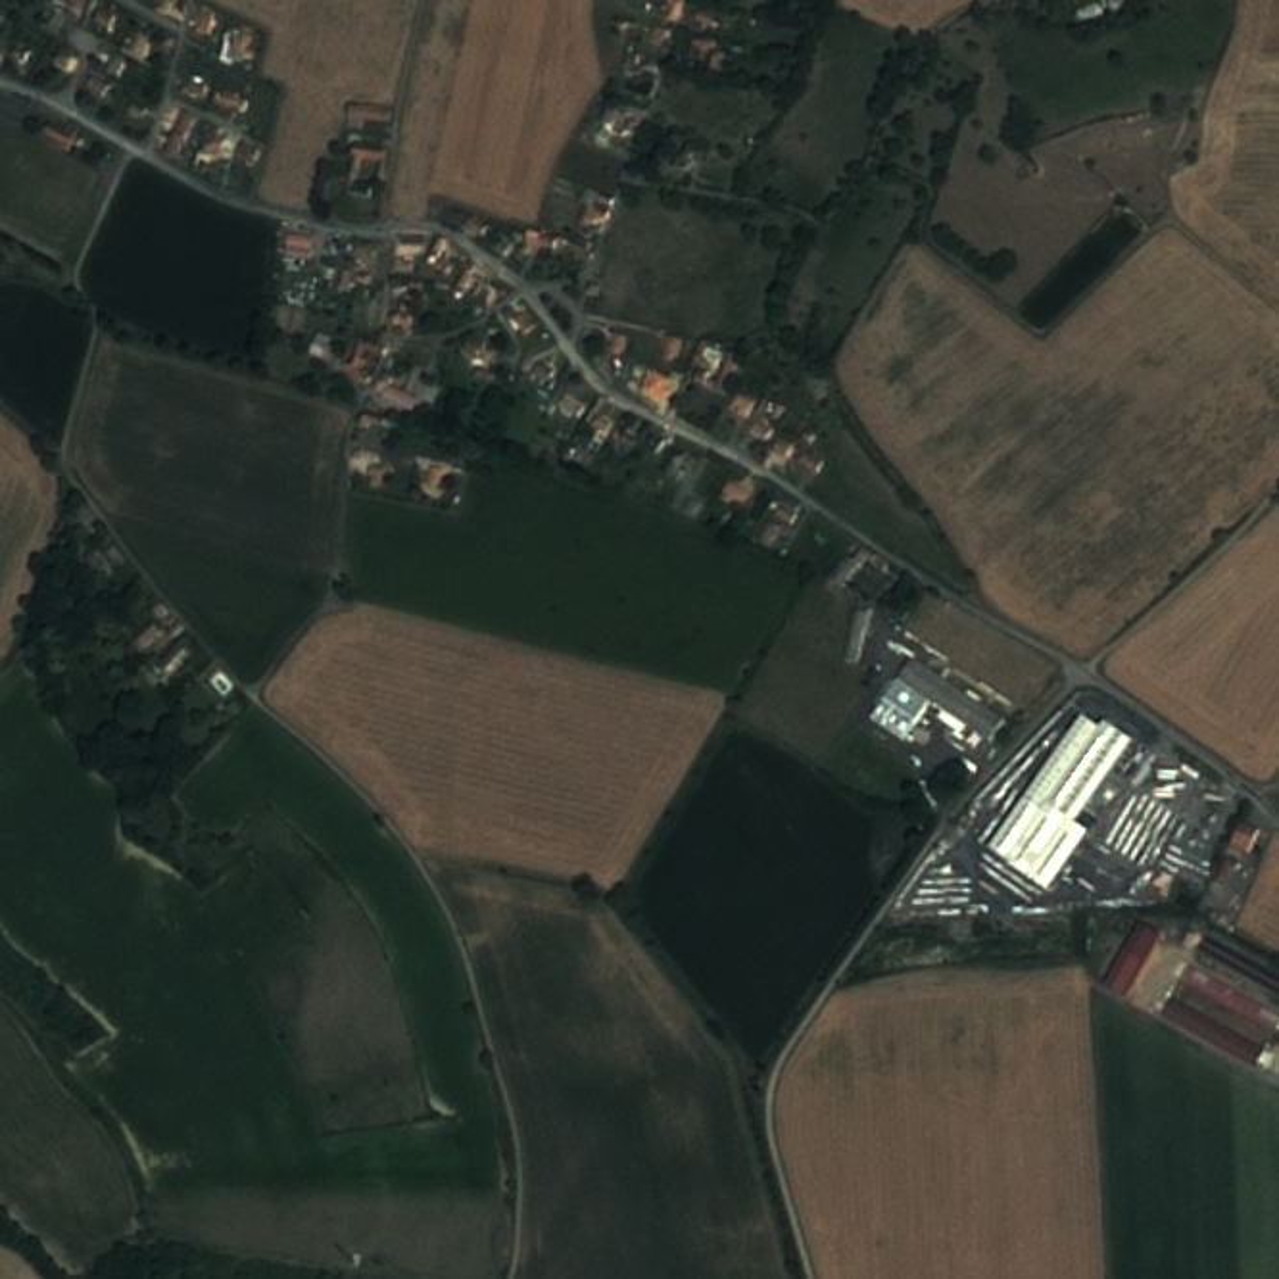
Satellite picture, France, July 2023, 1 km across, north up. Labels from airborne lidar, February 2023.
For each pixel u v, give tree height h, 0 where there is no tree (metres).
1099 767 0
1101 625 0
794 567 6
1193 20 0
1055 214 0
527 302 0
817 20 19
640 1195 0
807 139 8
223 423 0
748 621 0
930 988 0
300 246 0
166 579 0
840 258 0
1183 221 0
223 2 0
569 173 0
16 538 0
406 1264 0
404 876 0
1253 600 0
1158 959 0
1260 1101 0
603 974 0
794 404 0
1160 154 0
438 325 11
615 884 0
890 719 0
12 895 0
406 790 0
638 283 0
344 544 0
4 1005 0
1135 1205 0
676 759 0
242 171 0
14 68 14
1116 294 0
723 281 0
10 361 0
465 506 0
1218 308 0
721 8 13
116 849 0
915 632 0
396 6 0
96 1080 0
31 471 0
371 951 0
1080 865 0
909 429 0
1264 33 0
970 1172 0
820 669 0
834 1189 0
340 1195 0
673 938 0
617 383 0
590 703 0
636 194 12
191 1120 0
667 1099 0
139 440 0
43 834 0
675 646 0
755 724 0
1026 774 0
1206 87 0
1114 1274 0
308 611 0
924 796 13
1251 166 0
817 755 0
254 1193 0
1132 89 0
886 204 0
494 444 11
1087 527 0
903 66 20
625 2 0
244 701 13
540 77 0
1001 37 0
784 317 18
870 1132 0
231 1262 0
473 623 0
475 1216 0
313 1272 7
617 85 8
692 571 0
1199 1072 0
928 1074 0
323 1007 0
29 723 0
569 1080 0
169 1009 0
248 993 0
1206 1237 0
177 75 0
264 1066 0
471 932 0
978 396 0
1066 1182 0
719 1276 0
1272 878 0
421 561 0
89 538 9
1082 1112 0
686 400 13
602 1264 0
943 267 0
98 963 0
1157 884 0
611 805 0
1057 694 0
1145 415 0
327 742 0
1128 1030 0
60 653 22
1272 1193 0
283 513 0
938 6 0
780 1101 0
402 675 0
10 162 0
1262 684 0
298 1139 0
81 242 0
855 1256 0
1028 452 0
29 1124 0
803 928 0
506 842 0
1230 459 0
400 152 0
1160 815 0
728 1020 0
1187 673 0
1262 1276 0
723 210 13
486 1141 0
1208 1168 0
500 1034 0
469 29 0
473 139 0
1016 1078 0
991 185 0
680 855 0
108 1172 0
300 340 14
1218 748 0
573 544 0
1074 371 0
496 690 0
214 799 0
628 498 0
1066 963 0
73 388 0
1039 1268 0
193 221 0
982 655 0
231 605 0
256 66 0
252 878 0
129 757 22
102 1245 0
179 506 0
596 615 0
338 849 0
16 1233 11
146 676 0
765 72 0
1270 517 0
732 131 0
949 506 0
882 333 0
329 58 0
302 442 0
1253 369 0
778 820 0
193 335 0
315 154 0
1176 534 0
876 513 0
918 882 0
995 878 0
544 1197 0
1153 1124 0
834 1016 0
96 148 9
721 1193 0
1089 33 10
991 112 0
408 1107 0
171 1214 0
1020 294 0
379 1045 0
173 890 0
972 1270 0
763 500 6
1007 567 0
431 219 0
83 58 0
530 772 0
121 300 0
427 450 0
